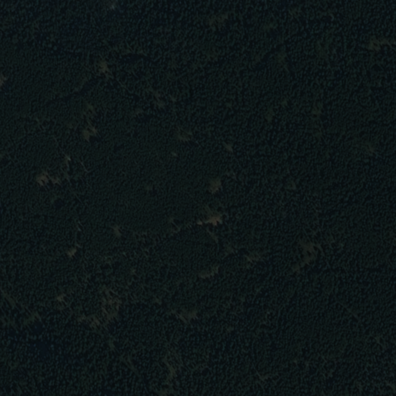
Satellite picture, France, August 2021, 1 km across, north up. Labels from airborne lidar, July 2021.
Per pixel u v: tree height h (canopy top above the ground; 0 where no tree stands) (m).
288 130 19
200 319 14
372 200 24
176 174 20
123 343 20
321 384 22
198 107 23
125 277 20
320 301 21
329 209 13
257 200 14
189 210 22
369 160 12
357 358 16
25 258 15
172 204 16
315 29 24
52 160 22
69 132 21
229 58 22
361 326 23
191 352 21
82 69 23
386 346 12
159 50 25
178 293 20
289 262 21
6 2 10
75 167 21
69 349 24
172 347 7
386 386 16
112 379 18
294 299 18
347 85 23
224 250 21
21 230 23
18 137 24
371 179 15
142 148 23
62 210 22
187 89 17
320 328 20
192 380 19
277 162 18
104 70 0
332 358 16
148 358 11
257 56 22
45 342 27
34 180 22
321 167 20
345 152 19
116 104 21
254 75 26
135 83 24
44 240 17
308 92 25
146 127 22
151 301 20
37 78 25
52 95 22
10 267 21
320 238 21
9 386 9
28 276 19
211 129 19
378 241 21
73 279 17
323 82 25
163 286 18
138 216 20
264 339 18
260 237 14
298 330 17
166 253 21
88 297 21
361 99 20
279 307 25
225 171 22
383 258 23
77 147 18
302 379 21
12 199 20
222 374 20
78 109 20
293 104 20
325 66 9
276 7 9
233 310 14
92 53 20
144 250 21
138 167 22
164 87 23
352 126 20
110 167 21
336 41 24
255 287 22
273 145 15
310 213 15
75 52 19
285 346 16
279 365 20
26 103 26
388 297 18
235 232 21
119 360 30
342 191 22
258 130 22
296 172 22
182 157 16
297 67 33
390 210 16
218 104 20
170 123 22
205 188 17
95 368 27
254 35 24
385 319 18
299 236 16
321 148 21
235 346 15
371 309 20
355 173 23
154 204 18
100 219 19
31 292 21
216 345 20
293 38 27
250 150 12
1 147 18
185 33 22
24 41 22
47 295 17
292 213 12
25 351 25
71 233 22
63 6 22
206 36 26
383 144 13
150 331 18
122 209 19
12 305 29
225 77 21
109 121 22
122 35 14
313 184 26
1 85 0
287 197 21
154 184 21
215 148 17
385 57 25
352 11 26
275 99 17
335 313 26
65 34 13
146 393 16
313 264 13
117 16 14
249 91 23
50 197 21
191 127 23
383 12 21
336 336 17
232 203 21
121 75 14
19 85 23
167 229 18
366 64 26
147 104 15
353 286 23
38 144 20
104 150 22
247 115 21
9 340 23
